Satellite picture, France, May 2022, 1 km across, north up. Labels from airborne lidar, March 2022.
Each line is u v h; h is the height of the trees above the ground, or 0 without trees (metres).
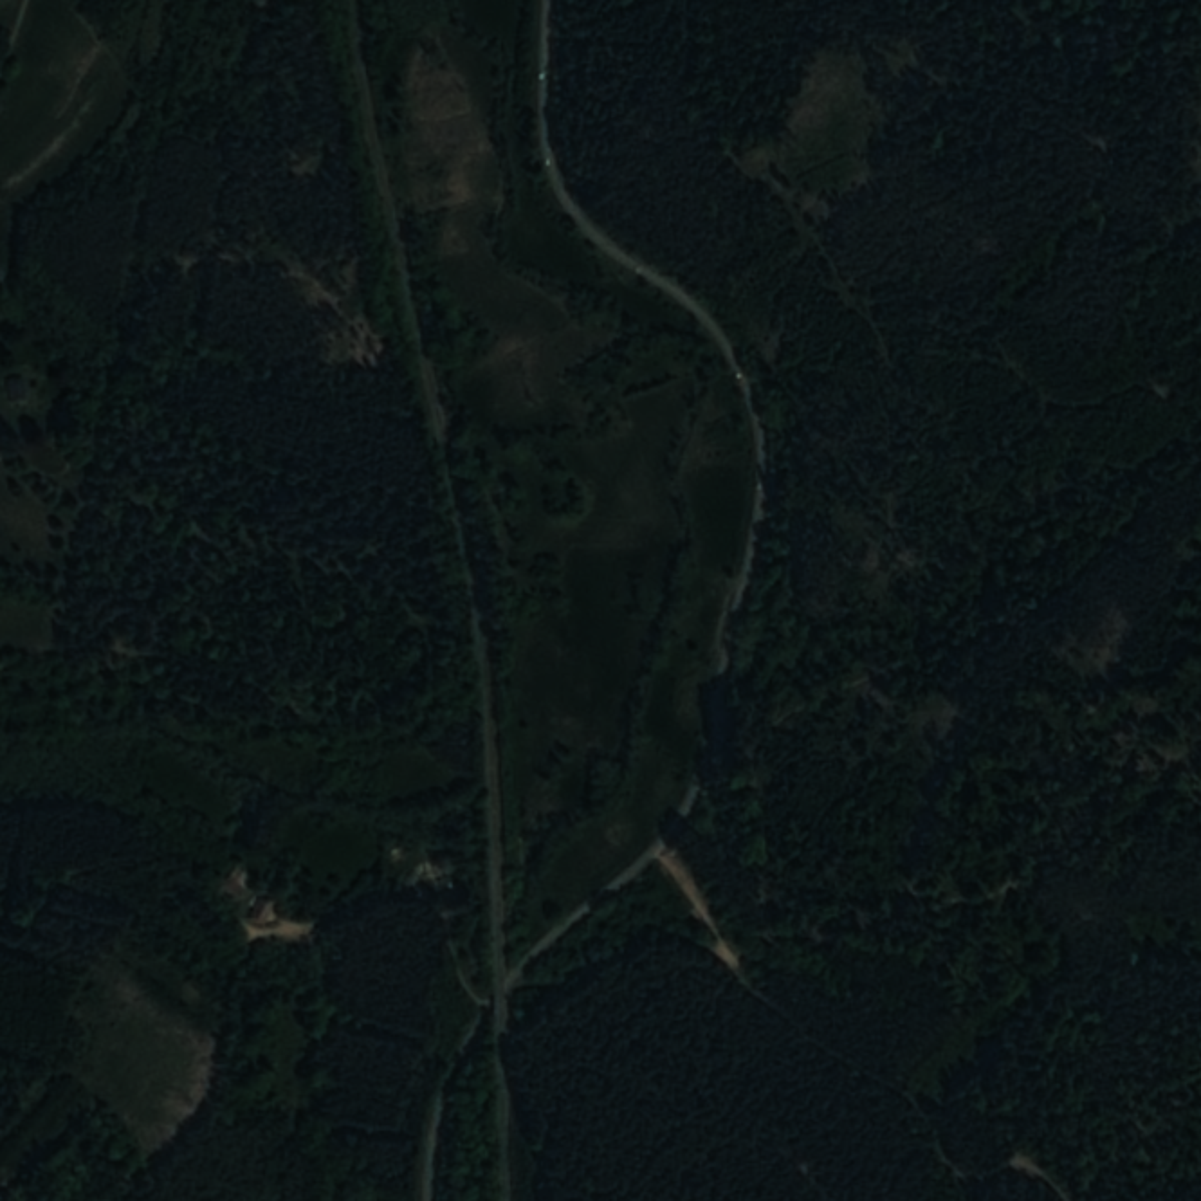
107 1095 0
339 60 20
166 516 20
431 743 30
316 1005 28
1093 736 34
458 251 0
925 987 19
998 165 26
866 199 25
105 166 16
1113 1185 23
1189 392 12
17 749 19
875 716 10
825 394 36
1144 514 24
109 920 28
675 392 0
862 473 34
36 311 20
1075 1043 25
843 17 24
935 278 23
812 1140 27
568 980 14
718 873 30
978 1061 0
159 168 16
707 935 16
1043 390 10
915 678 21
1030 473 14
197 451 8
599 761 20
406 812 21
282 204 29
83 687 18
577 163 19
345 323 24
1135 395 14
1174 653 9
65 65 0
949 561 36
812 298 8
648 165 24
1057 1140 27
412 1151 26
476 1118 22
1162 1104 23
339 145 35
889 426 37
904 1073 33
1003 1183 26
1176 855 29
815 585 33
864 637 28
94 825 25
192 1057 0
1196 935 21
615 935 9
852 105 0
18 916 23
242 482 12
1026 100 27
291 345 34
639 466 0
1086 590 28
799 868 14
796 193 29
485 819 7
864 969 15
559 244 0
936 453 6
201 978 9
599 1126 26
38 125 0
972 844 29
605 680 0
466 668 16
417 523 30
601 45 32
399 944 31
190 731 23
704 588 0
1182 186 20
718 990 22
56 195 17
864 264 23
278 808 24
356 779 11
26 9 0
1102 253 23
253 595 15
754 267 6
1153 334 14
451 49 0
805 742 13
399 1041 26
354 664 33
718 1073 26
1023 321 19
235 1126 22
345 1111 22
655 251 35
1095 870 26
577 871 0
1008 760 33
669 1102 23
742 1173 22
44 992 10
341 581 14
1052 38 15
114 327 12
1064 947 28
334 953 18
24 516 0
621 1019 21
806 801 8
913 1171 26
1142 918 11
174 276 32
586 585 0
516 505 22
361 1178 21
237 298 27
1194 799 0
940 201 26
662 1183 23
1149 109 25
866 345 11
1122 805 31
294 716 27
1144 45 24
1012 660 28
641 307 0
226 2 10
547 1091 27
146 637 30
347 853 0
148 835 21
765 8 17
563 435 9
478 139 0
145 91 10
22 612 0
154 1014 0
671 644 21
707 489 0
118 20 12
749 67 13
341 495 6
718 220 27
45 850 28
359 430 30
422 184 0
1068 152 29
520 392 0
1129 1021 27
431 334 18
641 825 0
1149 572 30
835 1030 31
